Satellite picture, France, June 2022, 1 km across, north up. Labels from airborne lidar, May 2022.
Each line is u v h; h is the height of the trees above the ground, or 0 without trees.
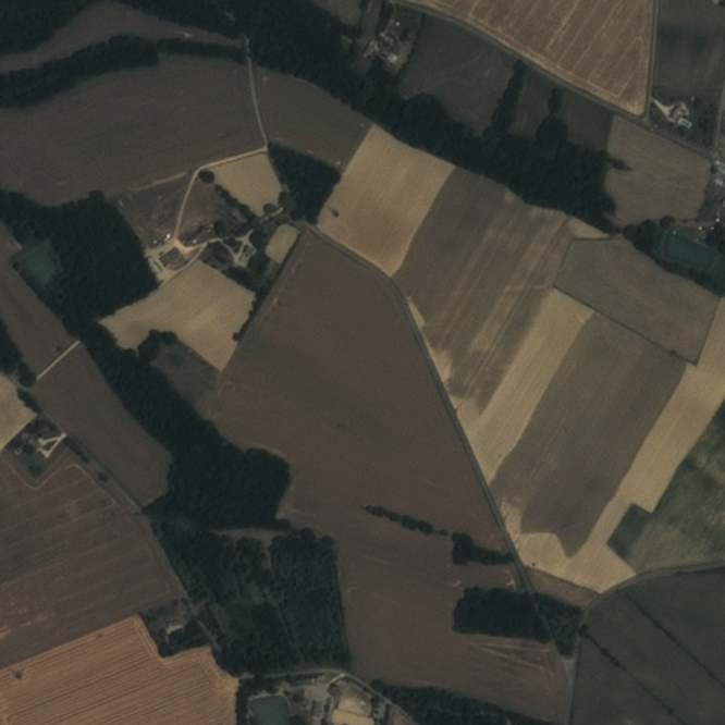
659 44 0
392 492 0
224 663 17
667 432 0
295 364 0
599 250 0
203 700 0
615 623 0
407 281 0
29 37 15
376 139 0
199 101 0
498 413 0
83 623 0
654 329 0
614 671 0
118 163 0
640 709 0
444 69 0
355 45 12
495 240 0
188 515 19
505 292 0
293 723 16
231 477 22
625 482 0
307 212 13
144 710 0
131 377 25
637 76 0
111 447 0
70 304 27
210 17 24
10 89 22
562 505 0
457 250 0
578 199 22
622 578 0
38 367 0
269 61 24
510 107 14
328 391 0
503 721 12
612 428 0
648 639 0
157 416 18
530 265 0
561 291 0
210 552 23
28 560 0
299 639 14
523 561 0
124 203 0
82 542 0
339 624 13
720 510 0
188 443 9
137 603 0
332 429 0
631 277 0
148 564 0
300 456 0
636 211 0
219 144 0
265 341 0
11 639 0
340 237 0
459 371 0
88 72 17
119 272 16
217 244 8
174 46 20
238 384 0
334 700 0
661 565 0
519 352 0
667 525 0
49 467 0
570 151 15
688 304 0
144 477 0
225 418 0
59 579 0
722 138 0
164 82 0
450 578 0
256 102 0
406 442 0
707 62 0
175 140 0
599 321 0
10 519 0
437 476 0
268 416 0
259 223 16
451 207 0
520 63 9
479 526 0
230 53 17
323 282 0
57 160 0
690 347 0
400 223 0
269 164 0
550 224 0
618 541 0
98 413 0
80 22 0
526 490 0
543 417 0
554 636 7
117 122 0
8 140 0
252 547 9
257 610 11
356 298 0
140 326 0
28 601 0
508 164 20
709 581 0
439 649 0
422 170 0
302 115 0
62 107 0
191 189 0
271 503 20
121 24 0
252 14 21
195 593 10
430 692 17
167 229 0
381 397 0
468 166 18
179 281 0
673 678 0
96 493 0
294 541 8
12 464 0
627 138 0
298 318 0
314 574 14
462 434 0
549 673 0
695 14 0
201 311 0
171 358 0
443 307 0
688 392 0
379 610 0
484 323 0
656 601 0
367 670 0
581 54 0
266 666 16
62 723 0
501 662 0
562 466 0
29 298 0
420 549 0
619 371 0
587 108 0
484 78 0
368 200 0
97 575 0
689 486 0
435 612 0
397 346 0
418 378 0
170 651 11
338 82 18
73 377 0
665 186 0
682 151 0
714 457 0
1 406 0
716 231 16
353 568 0
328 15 13
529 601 19
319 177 16
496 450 0
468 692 0
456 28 0
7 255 0
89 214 19
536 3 0
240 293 0
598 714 0
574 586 0
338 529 0
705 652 0
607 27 0
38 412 10
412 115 17
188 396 0
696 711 0
